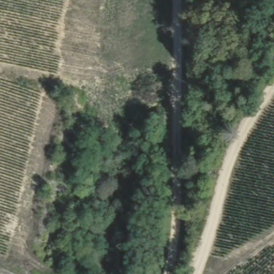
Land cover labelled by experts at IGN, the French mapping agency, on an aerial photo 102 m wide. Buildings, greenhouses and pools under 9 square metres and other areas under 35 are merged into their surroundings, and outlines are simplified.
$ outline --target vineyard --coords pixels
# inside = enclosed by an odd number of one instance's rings
[[[268,107],[265,107],[235,161],[222,219],[216,231],[211,253],[224,257],[233,248],[249,242],[256,234],[274,225],[274,97]]]
[[[18,196],[15,192],[19,191],[24,177],[27,155],[33,150],[35,125],[40,119],[43,101],[49,98],[39,78],[58,78],[58,54],[61,52],[65,15],[71,0],[0,0],[0,254],[5,254],[4,243],[15,233],[18,217],[13,213],[16,210]]]
[[[238,265],[228,274],[274,274],[274,245],[265,247],[258,256],[249,258],[245,265]]]

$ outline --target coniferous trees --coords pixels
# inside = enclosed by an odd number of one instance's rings
[[[242,26],[243,33],[235,33],[237,14],[228,10],[229,3],[218,7],[213,5],[213,0],[212,0],[204,4],[202,15],[197,15],[194,11],[181,11],[177,15],[180,19],[191,17],[193,24],[202,25],[199,31],[199,45],[195,44],[191,50],[196,61],[194,72],[199,74],[207,68],[204,60],[209,55],[215,56],[212,62],[230,59],[234,54],[240,57],[240,60],[247,59],[248,36],[254,33],[252,27],[245,24]]]

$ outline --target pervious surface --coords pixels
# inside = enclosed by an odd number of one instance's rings
[[[222,219],[235,161],[265,107],[268,107],[274,97],[274,83],[264,89],[263,101],[255,115],[241,121],[237,138],[230,143],[226,151],[207,223],[202,231],[200,244],[193,253],[192,261],[189,262],[194,268],[193,274],[202,274],[211,253],[216,231]]]
[[[177,15],[181,11],[183,0],[172,0],[172,24],[169,31],[173,40],[171,57],[176,60],[176,67],[171,68],[173,78],[168,96],[172,108],[181,100],[180,64],[183,45],[180,42],[180,19]]]

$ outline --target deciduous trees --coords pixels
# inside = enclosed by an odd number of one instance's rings
[[[202,25],[193,24],[191,17],[180,19],[180,42],[183,45],[191,50],[195,44],[199,45],[199,31]]]
[[[44,155],[57,168],[40,174],[46,184],[40,189],[39,197],[48,198],[50,186],[47,183],[50,180],[57,181],[55,210],[48,212],[43,222],[44,226],[56,222],[56,230],[49,233],[44,247],[44,252],[50,249],[52,254],[46,255],[43,260],[44,263],[52,259],[51,268],[55,274],[193,274],[194,268],[189,262],[192,261],[193,253],[200,244],[202,231],[207,223],[226,151],[230,143],[237,138],[241,121],[255,115],[263,101],[264,89],[274,83],[274,0],[213,0],[213,5],[218,7],[229,3],[228,10],[237,14],[235,33],[243,33],[242,26],[245,24],[252,27],[254,33],[248,36],[247,59],[240,60],[240,57],[234,54],[230,59],[212,62],[215,56],[209,55],[204,60],[207,68],[199,74],[198,78],[202,82],[200,91],[188,92],[189,108],[184,113],[180,112],[178,119],[182,127],[192,126],[202,132],[199,146],[195,149],[189,148],[188,161],[181,168],[169,169],[164,149],[158,148],[158,142],[162,142],[165,136],[167,116],[157,95],[157,90],[162,88],[162,82],[157,81],[157,75],[153,71],[146,76],[138,74],[132,81],[132,96],[123,106],[123,115],[113,115],[108,127],[105,127],[97,117],[79,111],[74,104],[74,95],[58,78],[39,78],[49,98],[56,104],[56,115],[49,131],[48,144],[44,147]]]
[[[212,0],[183,0],[181,11],[194,11],[197,15],[202,15],[204,4]]]

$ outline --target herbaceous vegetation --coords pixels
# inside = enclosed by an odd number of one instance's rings
[[[274,245],[274,225],[256,234],[249,242],[233,248],[224,257],[211,253],[202,274],[228,274],[238,265],[245,265],[249,258],[258,256],[265,247]]]
[[[16,210],[13,213],[18,217],[15,233],[4,243],[5,254],[0,254],[0,274],[55,274],[51,268],[52,259],[44,263],[43,260],[46,255],[52,254],[50,249],[44,252],[44,247],[49,233],[56,230],[56,222],[44,226],[43,222],[48,212],[55,210],[57,181],[50,180],[47,183],[50,186],[48,198],[39,197],[40,189],[46,184],[40,174],[57,168],[44,155],[44,147],[48,144],[49,131],[56,115],[56,104],[49,98],[43,101],[40,119],[35,125],[33,150],[27,155],[24,177],[19,191],[15,192],[18,196]]]
[[[153,71],[157,75],[157,81],[162,82],[162,88],[157,90],[157,95],[167,116],[165,136],[162,142],[158,142],[158,148],[164,149],[169,169],[181,168],[188,161],[189,148],[195,149],[199,146],[202,132],[192,126],[182,127],[178,119],[180,112],[184,113],[189,108],[188,92],[200,91],[202,82],[198,78],[199,74],[194,72],[196,61],[191,50],[183,45],[180,64],[181,100],[172,108],[168,96],[173,78],[171,68],[176,67],[176,60],[171,57],[173,40],[169,31],[172,24],[172,0],[71,0],[65,15],[61,52],[58,54],[58,78],[74,95],[74,104],[79,111],[97,117],[105,127],[108,127],[113,115],[123,115],[123,106],[132,96],[132,81],[138,74],[146,76]]]

